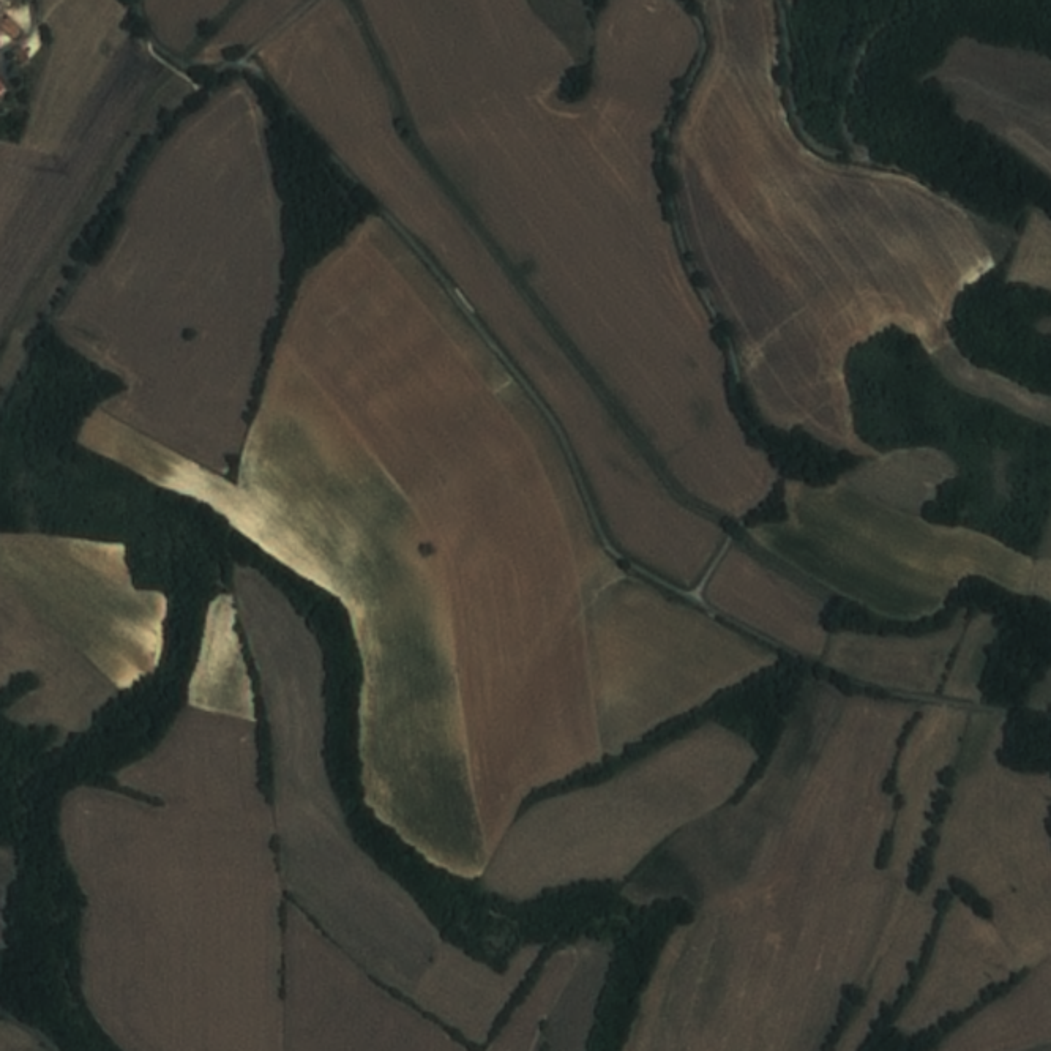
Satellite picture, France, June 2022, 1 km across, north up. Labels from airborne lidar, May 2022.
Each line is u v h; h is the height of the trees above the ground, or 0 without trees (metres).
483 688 0
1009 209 13
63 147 0
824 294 0
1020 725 18
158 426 0
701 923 0
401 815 0
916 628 16
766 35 0
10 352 0
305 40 0
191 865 0
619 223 0
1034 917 0
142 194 0
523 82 0
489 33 0
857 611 28
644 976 14
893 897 0
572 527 0
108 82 0
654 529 0
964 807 0
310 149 17
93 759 15
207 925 0
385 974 0
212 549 10
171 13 0
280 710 0
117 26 0
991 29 15
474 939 6
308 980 0
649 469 0
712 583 0
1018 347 13
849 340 0
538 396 0
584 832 0
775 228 0
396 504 0
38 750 14
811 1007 0
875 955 0
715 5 0
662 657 0
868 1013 0
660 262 0
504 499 0
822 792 0
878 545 0
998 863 0
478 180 0
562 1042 0
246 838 0
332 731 13
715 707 9
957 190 11
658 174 13
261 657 0
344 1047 0
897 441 9
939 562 0
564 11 0
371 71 0
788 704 17
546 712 0
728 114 0
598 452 0
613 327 0
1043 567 0
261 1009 0
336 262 0
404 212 0
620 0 0
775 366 0
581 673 0
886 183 0
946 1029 13
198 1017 0
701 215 0
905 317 0
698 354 0
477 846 0
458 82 0
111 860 0
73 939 10
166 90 0
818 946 0
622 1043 11
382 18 0
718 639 0
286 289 13
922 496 0
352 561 0
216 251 0
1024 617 15
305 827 0
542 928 11
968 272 0
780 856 0
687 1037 0
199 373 0
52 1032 6
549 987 0
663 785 0
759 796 0
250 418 11
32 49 0
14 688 11
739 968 0
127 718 10
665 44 0
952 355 0
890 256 0
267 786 11
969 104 0
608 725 0
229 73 13
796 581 0
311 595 10
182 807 0
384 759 0
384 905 0
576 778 10
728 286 0
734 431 0
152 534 6
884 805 0
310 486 0
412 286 0
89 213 0
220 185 0
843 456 14
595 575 0
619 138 0
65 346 15
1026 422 6
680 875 0
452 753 0
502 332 0
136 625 0
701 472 0
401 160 0
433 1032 0
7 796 12
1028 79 0
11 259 0
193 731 0
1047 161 0
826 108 11
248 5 0
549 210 0
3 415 7
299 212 17
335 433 0
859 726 0
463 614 0
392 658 0
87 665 0
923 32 15
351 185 11
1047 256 0
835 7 7
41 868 14
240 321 0
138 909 0
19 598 0
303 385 0
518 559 0
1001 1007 0
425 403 0
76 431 8
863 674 0
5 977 18
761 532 0
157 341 0
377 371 0
